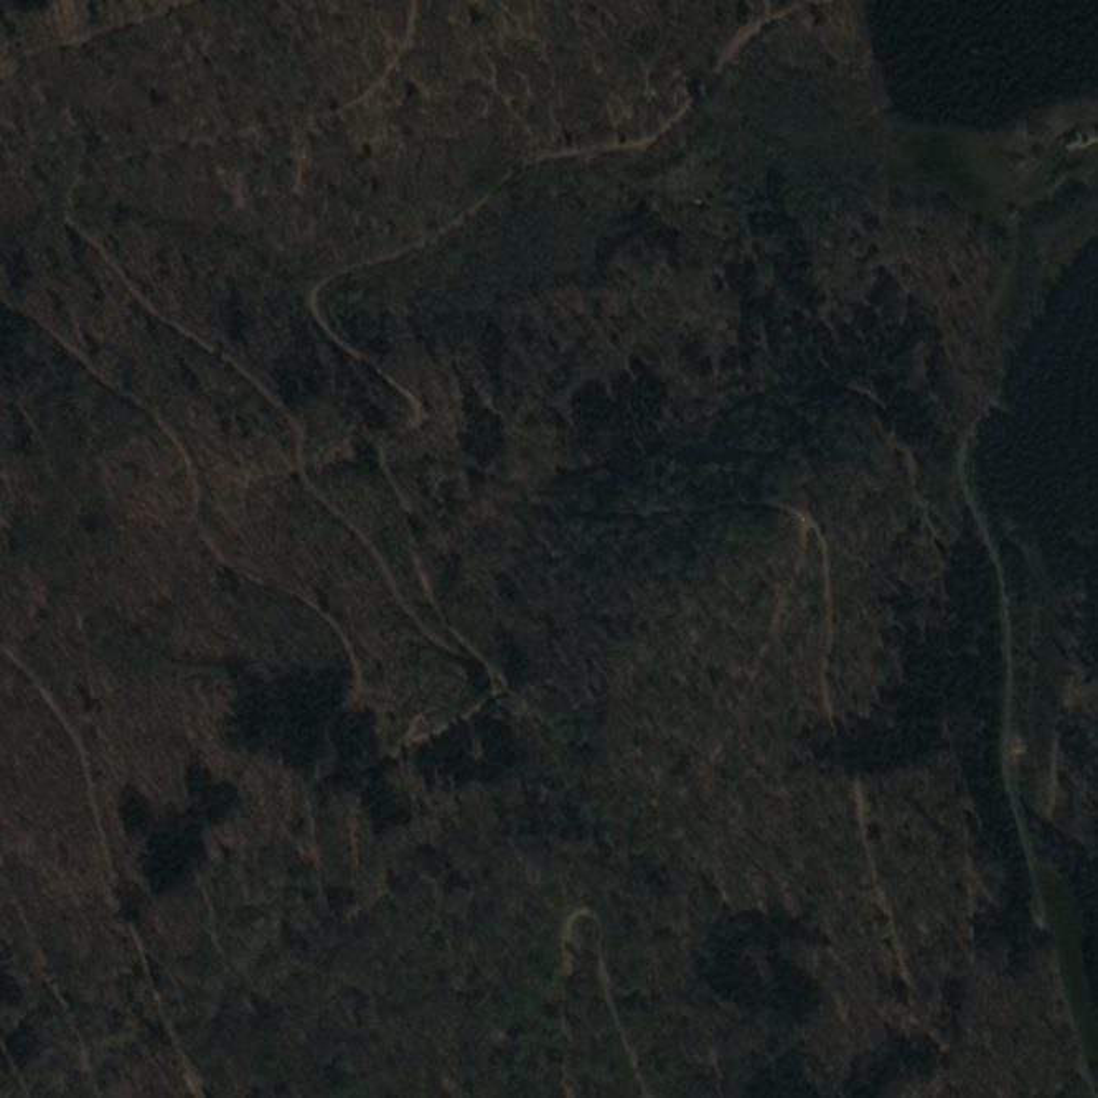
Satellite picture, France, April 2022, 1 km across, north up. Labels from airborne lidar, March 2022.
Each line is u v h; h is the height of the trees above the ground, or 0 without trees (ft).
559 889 91
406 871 52
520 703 70
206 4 41
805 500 56
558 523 112
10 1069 57
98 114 24
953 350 31
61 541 79
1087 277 79
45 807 52
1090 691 0
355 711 46
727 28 37
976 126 79
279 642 69
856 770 109
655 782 95
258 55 96
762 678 100
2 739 67
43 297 61
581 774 103
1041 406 79
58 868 71
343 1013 64
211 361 56
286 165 103
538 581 106
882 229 86
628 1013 58
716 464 84
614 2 33
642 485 106
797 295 86
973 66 95
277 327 73
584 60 35
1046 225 79
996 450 86
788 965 95
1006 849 92
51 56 38
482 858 107
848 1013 91
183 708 69
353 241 34
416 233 29
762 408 61
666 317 85
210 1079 60
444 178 40
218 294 68
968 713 77
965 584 75
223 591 66
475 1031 119
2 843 70
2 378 58
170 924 69
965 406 38
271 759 90
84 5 55
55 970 61
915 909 96
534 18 34
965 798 29
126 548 74
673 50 36
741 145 38
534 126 39
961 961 93
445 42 43
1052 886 0
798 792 94
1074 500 85
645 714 92
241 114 34
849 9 38
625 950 88
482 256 54
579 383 87
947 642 89
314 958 89
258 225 49
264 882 63
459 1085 123
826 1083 100
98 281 61
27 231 60
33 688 65
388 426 55
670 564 94
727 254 47
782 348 110
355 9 37
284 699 95
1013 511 88
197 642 61
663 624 81
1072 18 94
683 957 106
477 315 57
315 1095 74
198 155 37
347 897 76
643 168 47
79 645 79
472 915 104
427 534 71
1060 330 71
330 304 42
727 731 93
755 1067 111
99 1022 51
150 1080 71
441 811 56
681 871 115
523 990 88
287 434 62
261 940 75
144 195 47
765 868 104
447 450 46
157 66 39
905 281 31
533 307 95
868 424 87
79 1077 63
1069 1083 45
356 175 102
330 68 30
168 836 83
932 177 0
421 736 0
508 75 34
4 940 65
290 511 65
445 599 72
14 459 60
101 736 70
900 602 49
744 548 54
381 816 76
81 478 74
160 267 58
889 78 65
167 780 85
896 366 28
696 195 0
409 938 119
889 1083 95
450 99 24
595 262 66
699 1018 111
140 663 57
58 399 62
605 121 29
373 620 63
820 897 99
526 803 66
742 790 108
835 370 103
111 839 77
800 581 26
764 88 60
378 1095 71
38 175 18
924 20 124
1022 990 98
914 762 98
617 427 74
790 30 37
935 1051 95
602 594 76
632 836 74
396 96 29
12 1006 52
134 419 78
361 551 43
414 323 45
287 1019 87
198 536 63
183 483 59
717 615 88
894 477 30
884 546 85
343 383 60
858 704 63
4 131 19
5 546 66
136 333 58
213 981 69
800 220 27
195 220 35
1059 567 104
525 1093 124
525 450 31
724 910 114
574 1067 77
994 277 88
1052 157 0
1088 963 31
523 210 26
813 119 72
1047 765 0
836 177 45
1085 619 0
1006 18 106
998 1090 106
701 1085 117
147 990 69
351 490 74
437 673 68
